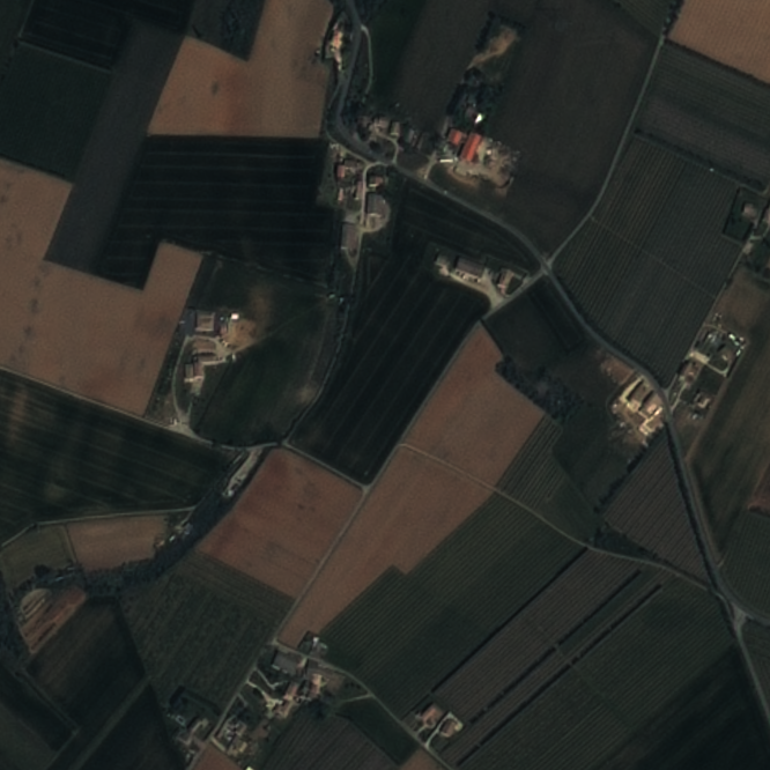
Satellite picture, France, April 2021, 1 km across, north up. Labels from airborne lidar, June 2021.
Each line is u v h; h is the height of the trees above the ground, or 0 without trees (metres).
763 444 0
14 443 0
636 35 0
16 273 0
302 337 0
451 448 0
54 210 0
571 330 0
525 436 0
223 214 0
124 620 0
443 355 0
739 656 0
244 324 0
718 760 0
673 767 0
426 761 0
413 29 0
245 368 0
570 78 0
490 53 0
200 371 0
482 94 14
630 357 9
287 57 0
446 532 0
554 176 0
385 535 0
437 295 0
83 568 11
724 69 13
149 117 0
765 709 0
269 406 0
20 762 0
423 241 0
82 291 0
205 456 0
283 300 0
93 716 0
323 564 0
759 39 0
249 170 0
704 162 10
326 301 0
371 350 0
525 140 0
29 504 0
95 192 0
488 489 0
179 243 0
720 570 0
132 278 0
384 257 0
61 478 0
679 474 10
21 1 0
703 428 0
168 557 11
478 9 0
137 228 0
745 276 0
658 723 0
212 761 0
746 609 0
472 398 0
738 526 0
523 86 0
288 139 0
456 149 11
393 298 0
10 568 0
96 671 0
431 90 0
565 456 0
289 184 0
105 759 0
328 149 0
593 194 0
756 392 0
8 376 0
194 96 0
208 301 0
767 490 0
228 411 0
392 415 0
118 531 0
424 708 0
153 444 0
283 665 0
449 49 0
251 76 0
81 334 0
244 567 0
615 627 7
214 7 0
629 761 0
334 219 0
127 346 0
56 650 0
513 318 0
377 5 8
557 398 11
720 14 0
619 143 0
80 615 0
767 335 0
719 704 0
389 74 0
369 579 0
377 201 0
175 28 0
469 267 0
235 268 0
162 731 0
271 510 0
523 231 0
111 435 0
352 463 0
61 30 0
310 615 0
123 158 0
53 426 0
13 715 0
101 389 0
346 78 0
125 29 0
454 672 6
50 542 0
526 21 0
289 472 0
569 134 0
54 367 0
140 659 0
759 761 0
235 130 0
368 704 0
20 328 0
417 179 0
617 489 15
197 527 12
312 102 0
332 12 0
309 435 0
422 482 0
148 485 0
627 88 0
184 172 0
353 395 0
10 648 7
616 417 0
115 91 0
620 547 0
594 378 0
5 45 0
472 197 0
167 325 0
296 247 0
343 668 0
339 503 0
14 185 0
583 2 0
